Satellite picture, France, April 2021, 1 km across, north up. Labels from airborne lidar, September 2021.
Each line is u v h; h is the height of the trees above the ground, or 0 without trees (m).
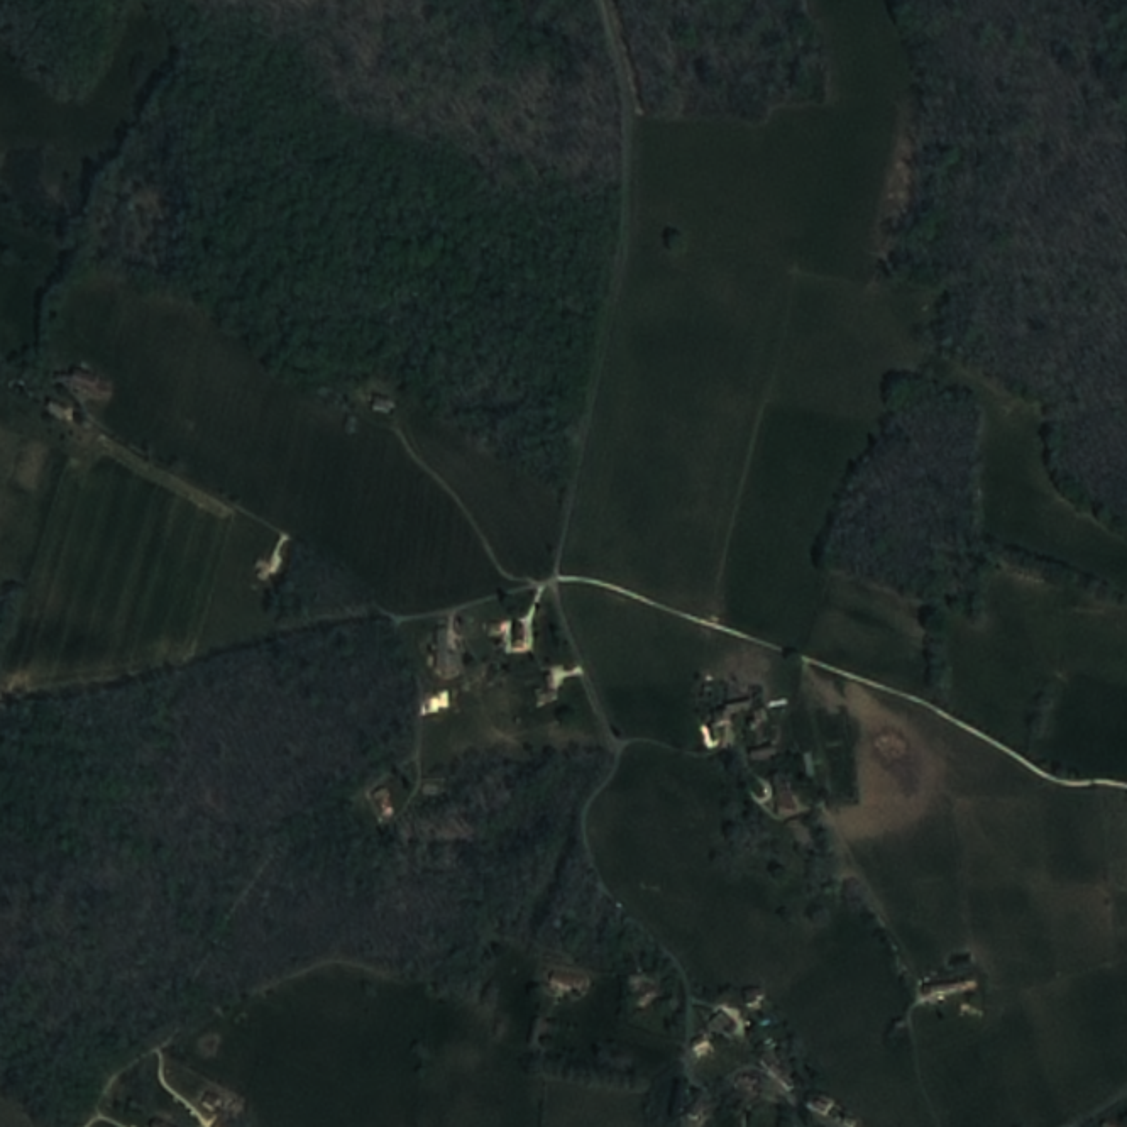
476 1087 0
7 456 0
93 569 0
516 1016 0
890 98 0
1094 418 18
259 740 18
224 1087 7
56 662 0
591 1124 0
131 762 20
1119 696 0
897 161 0
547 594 0
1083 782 9
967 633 0
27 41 22
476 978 18
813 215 0
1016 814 0
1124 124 18
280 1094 0
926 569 20
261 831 17
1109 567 0
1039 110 21
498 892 24
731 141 0
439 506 0
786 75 23
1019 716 0
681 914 0
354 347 23
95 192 23
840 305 0
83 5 25
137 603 0
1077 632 0
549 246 22
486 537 0
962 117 16
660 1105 7
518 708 0
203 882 18
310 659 16
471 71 20
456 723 0
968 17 16
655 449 0
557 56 20
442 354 23
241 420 0
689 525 0
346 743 17
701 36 14
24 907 7
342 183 23
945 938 0
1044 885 0
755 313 0
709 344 0
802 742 0
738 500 0
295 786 17
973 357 17
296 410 0
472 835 24
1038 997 0
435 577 0
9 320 0
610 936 25
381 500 0
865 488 15
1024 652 0
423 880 14
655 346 0
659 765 0
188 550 0
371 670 19
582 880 24
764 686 0
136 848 21
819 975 0
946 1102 0
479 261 28
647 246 0
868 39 0
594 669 0
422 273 21
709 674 0
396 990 0
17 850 14
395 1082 0
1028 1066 0
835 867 17
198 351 0
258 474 0
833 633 0
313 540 0
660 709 0
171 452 0
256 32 23
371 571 0
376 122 15
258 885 16
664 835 0
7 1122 0
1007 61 18
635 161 0
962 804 0
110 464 0
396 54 19
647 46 18
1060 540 0
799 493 0
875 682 0
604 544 0
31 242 0
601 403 0
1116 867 0
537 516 0
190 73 17
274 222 28
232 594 0
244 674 17
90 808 20
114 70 0
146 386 0
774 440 0
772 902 0
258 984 14
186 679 17
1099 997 0
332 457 0
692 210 0
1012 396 15
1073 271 18
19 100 0
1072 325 17
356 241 25
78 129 0
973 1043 0
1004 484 0
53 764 22
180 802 14
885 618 0
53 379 6
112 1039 14
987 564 20
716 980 0
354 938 17
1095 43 15
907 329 0
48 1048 16
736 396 0
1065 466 18
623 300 0
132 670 0
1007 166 16
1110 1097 0
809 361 0
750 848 15
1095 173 15
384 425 0
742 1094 11
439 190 22
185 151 26
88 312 0
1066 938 0
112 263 18
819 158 0
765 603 0
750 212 0
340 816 14
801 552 0
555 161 20
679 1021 10
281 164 23
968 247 23
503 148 21
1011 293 16
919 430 16
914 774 0
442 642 0
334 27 19
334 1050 0
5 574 0
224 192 24
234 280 26
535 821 20
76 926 19
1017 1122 0
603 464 0
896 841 0
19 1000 19
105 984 18
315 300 24
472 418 18
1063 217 13
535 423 18
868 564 17
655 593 0
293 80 22
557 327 26
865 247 0
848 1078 0
